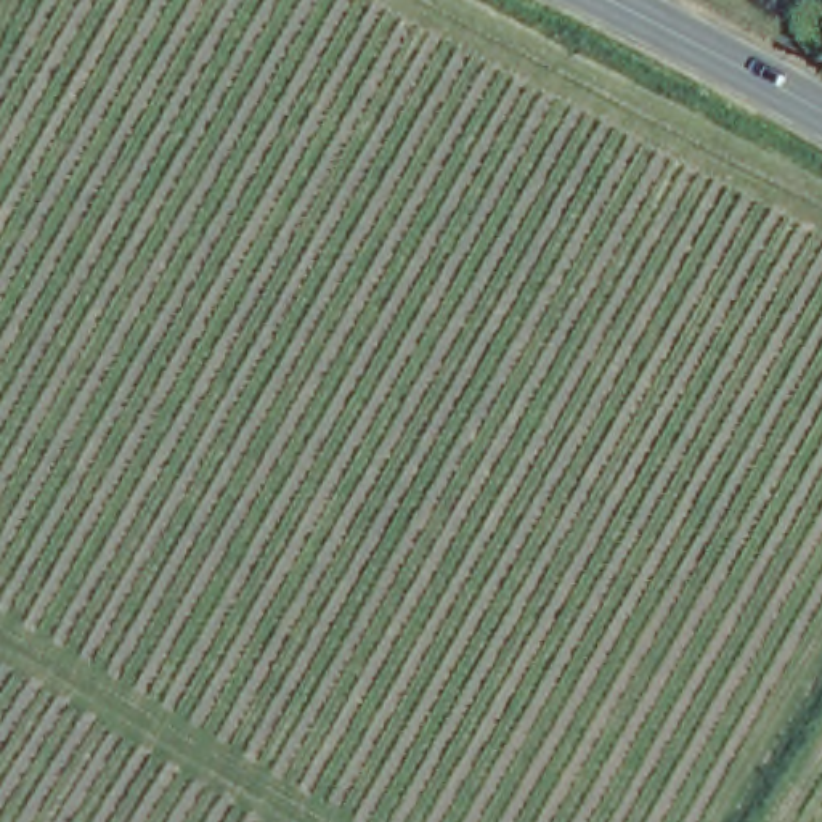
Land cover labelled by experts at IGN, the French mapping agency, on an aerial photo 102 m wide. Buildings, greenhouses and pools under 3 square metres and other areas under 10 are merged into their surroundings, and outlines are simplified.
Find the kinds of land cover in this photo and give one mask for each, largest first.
<instances>
[{"label":"vineyard","instance_id":"1","mask_svg":"<svg viewBox=\"0 0 822 822\"><path fill-rule=\"evenodd\" d=\"M0 600L10 604L13 617L26 620L22 629L35 633V626H42L55 633L61 645L67 642L80 649L83 658H96L106 668L119 671V687H125L128 694L135 687L154 690L157 700H164L170 710L199 722V742L212 745L218 735H228V751L250 761L257 777H286L302 793H311L315 787L324 800L334 796L337 806L366 822H700L735 751L751 732V722L758 719L767 694L780 684L787 661L793 658L800 639L806 636L809 623L822 607V238L816 231L800 234L796 225H787L780 218V206H771L767 212L755 202H742L732 189L716 193L713 180H703L700 173L684 177V167L668 164V148L655 154L636 144V151H626V135L600 125V119L578 116L562 103H552L549 96H539L527 87H514L511 77L491 74L472 58L462 61L456 55V45L440 42L437 29L417 19L411 26H401L385 10L363 0H0ZM138 732H125L122 739H116L93 722L83 703H67L61 697L55 700L45 684L35 687L29 681L26 671H6L0 665V822H257L247 819V803L238 800L228 809L222 803V783L199 787V774L189 767L180 771L170 761L161 764L151 755L141 761ZM764 822H822V735L803 761L800 777L783 793H774Z\"/></svg>","mask_w":822,"mask_h":822},{"label":"herbaceous vegetation","instance_id":"2","mask_svg":"<svg viewBox=\"0 0 822 822\"><path fill-rule=\"evenodd\" d=\"M385 10L401 26H411L417 19L437 29L440 42L456 45V55L462 61L472 58L491 74L511 77L514 87H527L539 96H549L552 103H562L578 116L600 119V125L626 135V151H636V144L655 154L668 148V164L684 167V177L700 173L703 180H713L716 193L732 189L742 202H755L767 212L771 206H780V218L787 225H796L800 234L816 231L822 238V141L552 0H363ZM694 13L697 19L742 39L758 51V58L777 48L803 58L816 74H822V45L796 39L787 0H668ZM26 620L13 617L10 604L0 600V665L6 671H26L29 681L35 687L45 684L55 700L61 697L67 703H83L93 722L116 739H122L125 732H138L141 761L151 755L161 764L170 761L180 771L189 767L199 774V787L222 783V803L228 809L238 800L247 803V819L257 822H366L337 806L334 796L324 800L315 787L311 793H302L286 777H257L250 761L228 751V735H218L212 745L199 742V722L170 710L164 700H157L154 690L135 687L128 694L125 687H119V671L106 668L96 658H83L80 649L67 642L61 645L55 633L42 626H35V633L22 629ZM822 735V607L809 623L806 636L800 639L793 658L787 661L780 684L767 694L758 719L751 722V732L735 751L700 822H764L774 793H783L800 777L803 761Z\"/></svg>","mask_w":822,"mask_h":822},{"label":"impervious surface","instance_id":"3","mask_svg":"<svg viewBox=\"0 0 822 822\"><path fill-rule=\"evenodd\" d=\"M822 141V74H816L803 58L777 48L758 58V51L742 39L697 19L694 13L668 0H552Z\"/></svg>","mask_w":822,"mask_h":822},{"label":"deciduous trees","instance_id":"4","mask_svg":"<svg viewBox=\"0 0 822 822\"><path fill-rule=\"evenodd\" d=\"M796 39L822 45V0H787Z\"/></svg>","mask_w":822,"mask_h":822}]
</instances>
